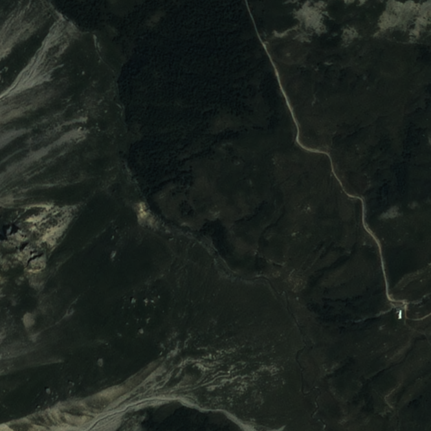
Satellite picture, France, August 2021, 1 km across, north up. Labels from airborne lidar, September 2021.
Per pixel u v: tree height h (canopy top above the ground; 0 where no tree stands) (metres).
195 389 0
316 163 0
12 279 0
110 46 0
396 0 0
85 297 0
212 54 8
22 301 0
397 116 0
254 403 0
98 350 0
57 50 0
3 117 0
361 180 0
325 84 0
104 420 0
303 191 0
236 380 0
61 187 0
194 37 10
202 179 0
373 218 0
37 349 0
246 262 0
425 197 0
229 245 0
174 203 0
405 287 0
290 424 0
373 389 0
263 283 0
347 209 0
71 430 0
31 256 0
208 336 0
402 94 0
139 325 0
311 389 0
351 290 0
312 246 0
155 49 6
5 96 0
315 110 0
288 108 0
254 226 0
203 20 6
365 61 0
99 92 0
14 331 0
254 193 0
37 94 0
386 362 0
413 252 0
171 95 7
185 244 0
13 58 0
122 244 0
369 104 0
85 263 0
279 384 0
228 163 0
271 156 0
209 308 0
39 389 0
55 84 0
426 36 0
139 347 0
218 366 0
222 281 0
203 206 0
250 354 0
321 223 0
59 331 0
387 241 0
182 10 6
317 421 0
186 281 0
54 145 0
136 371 0
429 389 0
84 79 0
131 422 0
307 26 0
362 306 0
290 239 0
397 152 0
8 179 0
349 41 0
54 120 0
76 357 0
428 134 0
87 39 0
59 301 0
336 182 0
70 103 0
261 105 0
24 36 0
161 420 0
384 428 0
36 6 0
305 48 0
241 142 0
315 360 0
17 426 0
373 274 0
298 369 0
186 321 0
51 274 0
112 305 0
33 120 0
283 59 0
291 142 0
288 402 0
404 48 0
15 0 0
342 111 0
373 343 0
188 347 0
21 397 0
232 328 0
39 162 0
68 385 0
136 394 0
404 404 0
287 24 0
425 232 0
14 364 0
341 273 0
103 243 0
